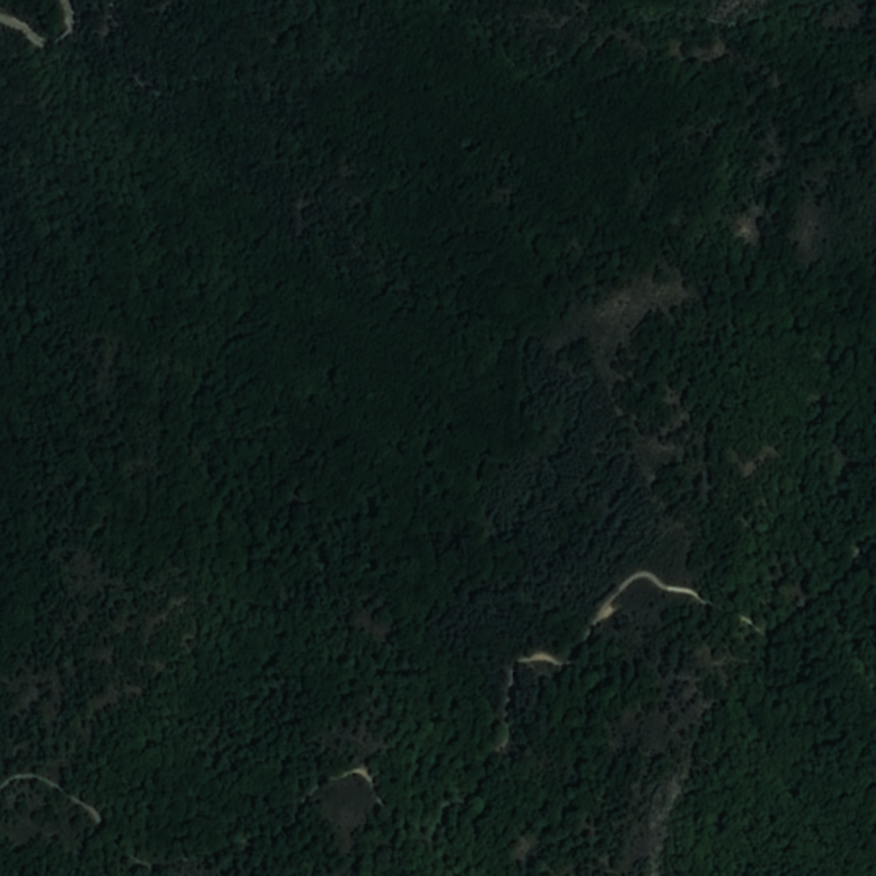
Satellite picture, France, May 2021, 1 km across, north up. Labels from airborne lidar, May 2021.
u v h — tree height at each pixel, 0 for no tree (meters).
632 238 18
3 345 23
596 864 10
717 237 16
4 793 7
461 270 25
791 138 14
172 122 16
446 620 26
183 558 21
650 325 17
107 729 23
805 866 27
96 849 17
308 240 15
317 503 22
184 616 11
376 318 19
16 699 10
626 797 10
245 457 19
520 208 22
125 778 20
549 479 17
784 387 24
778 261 18
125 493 12
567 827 25
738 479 14
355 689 25
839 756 22
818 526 21
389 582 19
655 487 14
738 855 20
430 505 24
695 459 13
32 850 18
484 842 25
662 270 10
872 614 28
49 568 14
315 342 22
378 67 19
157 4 16
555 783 10
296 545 14
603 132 20
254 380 24
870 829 31
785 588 18
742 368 30
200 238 29
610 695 26
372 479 25
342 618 7
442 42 26
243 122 18
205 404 19
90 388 9
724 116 17
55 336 22
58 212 21
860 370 30
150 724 22
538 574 19
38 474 16
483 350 15
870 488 20
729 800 22
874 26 19
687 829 23
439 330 19
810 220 0
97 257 28
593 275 11
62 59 7
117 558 20
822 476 26
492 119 25
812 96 16
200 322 23
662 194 10
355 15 16
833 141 19
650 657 18
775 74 10
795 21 16
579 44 7
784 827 20
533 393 15
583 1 12
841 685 30
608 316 0
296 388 29
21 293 20
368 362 23
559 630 24
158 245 21
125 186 23
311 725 19
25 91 13
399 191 23
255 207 21
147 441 6
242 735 21
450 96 14
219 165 14
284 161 16
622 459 13
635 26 14
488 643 21
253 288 28
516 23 6
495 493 14
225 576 24
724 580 26
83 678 15
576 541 15
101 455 22
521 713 20
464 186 17
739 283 27
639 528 8
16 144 14
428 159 19
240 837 25
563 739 8
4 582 32
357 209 12
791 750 25
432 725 25
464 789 15
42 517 17
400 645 25
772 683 29
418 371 20
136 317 22
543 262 21
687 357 23
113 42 15
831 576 25
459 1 23
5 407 22
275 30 18
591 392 13
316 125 18
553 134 23
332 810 0
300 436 25
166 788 33
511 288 29
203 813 34
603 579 14
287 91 18
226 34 18
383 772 15
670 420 12
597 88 16
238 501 19
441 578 20
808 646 26
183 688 27
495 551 24
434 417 21
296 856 20
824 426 23
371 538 25
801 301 28
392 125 20
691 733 8
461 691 25
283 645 33
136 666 10
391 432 22
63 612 10
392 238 21
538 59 11
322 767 19
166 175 25
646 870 8
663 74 18
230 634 25
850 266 16
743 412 17
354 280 15
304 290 24
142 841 31
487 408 24
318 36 17
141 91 14
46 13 26
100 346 18
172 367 13
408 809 23
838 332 32
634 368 18
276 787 25
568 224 26
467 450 23
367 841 11
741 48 16
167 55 16
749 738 26
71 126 15
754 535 23
